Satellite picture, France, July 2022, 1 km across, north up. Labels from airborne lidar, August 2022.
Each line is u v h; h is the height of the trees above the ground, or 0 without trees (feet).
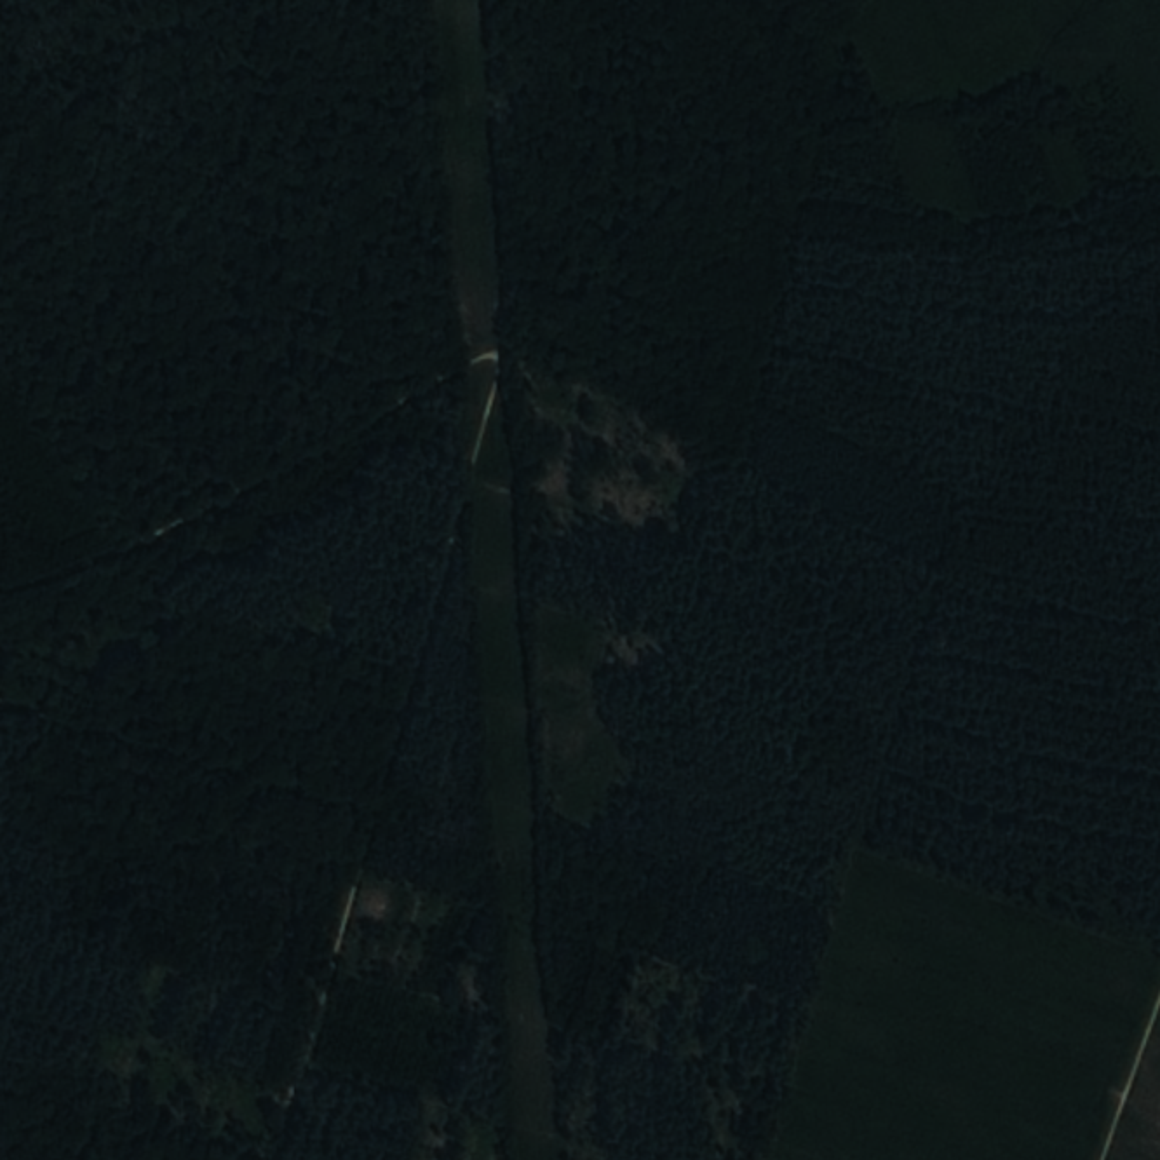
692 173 80
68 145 64
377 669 86
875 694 98
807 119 86
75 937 106
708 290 74
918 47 0
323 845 81
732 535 85
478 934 79
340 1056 20
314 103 72
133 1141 65
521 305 81
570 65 59
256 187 72
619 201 32
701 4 92
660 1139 104
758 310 79
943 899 0
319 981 65
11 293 66
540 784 48
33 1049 89
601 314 67
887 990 0
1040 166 21
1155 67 0
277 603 91
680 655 65
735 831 87
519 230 76
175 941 89
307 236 82
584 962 23
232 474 65
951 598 94
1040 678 90
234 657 75
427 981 19
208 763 59
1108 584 57
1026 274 76
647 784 64
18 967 109
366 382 54
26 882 88
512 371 64
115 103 56
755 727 78
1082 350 72
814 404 56
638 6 97
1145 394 57
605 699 44
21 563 37
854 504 54
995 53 0
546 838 47
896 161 36
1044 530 67
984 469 58
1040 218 43
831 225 54
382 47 35
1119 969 0
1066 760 73
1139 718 44
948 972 0
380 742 71
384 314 59
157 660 76
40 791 75
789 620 74
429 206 65
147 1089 68
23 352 72
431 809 71
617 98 82
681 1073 95
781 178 85
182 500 73
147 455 77
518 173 74
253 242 65
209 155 66
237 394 79
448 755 91
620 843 73
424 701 68
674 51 88
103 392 82
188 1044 51
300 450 69
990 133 26
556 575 88
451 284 65
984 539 64
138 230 56
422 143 73
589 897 70
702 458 65
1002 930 0
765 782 81
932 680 80
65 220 45
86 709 61
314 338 79
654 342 47
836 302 79
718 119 85
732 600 73
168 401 80
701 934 60
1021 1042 0
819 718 66
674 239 69
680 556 81
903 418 62
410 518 97
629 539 75
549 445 76
